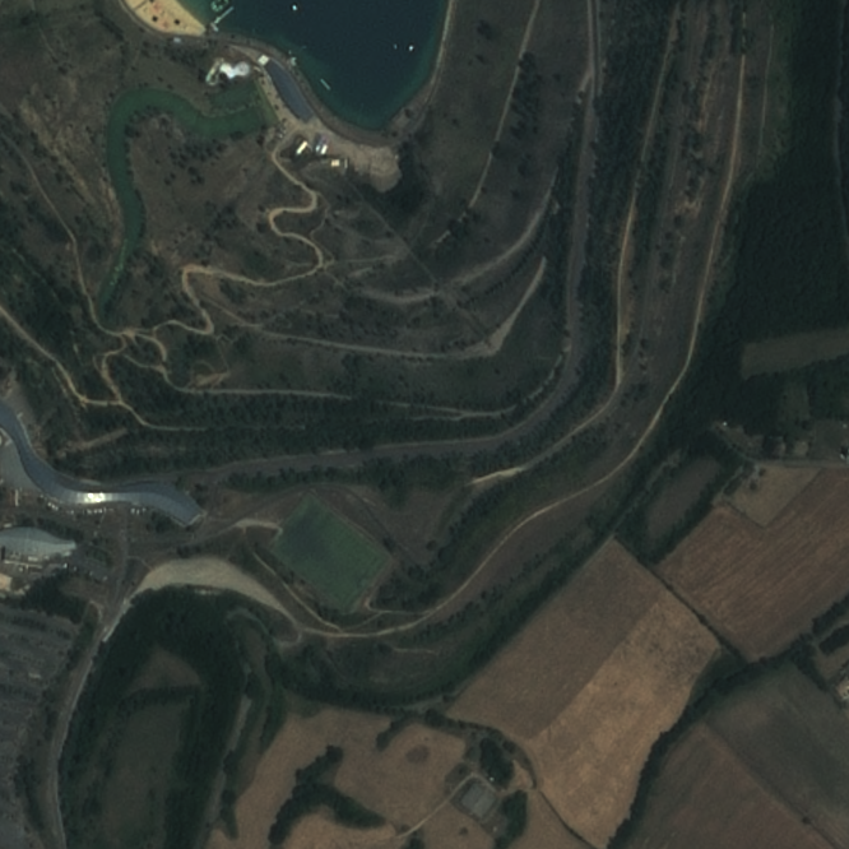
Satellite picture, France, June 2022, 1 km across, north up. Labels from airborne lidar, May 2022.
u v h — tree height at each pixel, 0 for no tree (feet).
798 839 0
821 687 35
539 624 0
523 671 0
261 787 0
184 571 0
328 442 48
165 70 0
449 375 0
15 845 0
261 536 0
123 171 0
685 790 0
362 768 0
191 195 0
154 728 0
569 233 54
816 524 0
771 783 0
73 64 0
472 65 0
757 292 46
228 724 24
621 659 0
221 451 31
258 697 47
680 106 0
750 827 0
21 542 0
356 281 41
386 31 0
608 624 0
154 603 41
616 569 0
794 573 0
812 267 51
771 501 0
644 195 38
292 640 0
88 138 0
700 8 0
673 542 31
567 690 0
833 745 0
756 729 0
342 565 0
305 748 0
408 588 36
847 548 0
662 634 0
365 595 0
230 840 0
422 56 0
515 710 0
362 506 0
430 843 0
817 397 56
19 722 0
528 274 0
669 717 0
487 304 0
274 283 0
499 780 27
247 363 0
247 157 0
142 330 47
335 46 0
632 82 62
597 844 0
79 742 24
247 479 30
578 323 0
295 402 48
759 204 58
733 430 25
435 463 58
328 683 26
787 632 0
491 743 32
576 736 0
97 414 33
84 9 0
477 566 0
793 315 51
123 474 24
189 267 0
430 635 35
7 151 0
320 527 0
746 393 63
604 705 0
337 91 0
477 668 25
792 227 66
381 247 24
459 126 0
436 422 60
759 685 0
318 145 0
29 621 26
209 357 0
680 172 0
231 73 0
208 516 0
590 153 0
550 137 0
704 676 0
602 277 41
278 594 0
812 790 0
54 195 0
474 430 29
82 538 67
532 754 0
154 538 0
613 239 32
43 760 0
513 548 0
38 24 0
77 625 36
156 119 0
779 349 0
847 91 68
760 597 0
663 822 0
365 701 33
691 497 0
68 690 0
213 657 37
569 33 0
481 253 0
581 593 0
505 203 0
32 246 54
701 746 0
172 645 31
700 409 48
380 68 0
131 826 0
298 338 0
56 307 62
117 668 29
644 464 21
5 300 0
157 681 0
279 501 0
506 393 23
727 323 50
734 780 0
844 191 49
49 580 30
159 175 0
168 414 31
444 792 0
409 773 0
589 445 34
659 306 0
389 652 52
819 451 0
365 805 0
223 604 22
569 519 0
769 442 37
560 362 47
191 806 23
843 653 0
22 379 33
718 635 20
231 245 0
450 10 0
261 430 44
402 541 0
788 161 30
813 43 53
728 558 0
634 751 0
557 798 0
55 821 0
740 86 0
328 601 0
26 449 0
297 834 0
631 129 65
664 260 29
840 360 31
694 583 0
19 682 0
